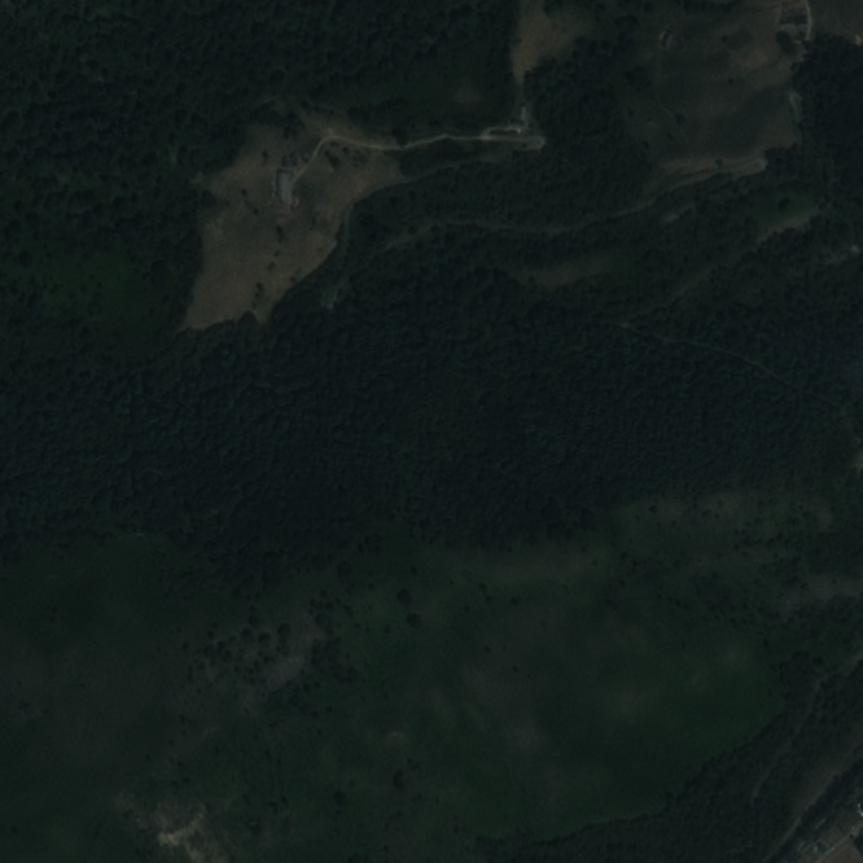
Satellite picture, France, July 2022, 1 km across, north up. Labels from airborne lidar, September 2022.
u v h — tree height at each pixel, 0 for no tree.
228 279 0
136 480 20
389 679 0
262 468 17
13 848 0
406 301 14
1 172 20
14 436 29
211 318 0
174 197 13
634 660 0
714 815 15
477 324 22
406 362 28
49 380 21
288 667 0
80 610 0
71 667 0
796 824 0
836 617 11
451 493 19
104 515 14
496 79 7
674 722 0
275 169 0
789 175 9
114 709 0
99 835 8
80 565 0
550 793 0
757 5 0
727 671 0
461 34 24
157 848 6
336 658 9
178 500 24
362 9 23
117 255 0
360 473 20
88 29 16
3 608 0
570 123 18
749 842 13
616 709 0
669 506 0
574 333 25
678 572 6
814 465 11
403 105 12
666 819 13
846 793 16
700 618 0
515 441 16
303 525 20
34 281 12
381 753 0
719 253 11
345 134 0
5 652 0
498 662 0
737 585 0
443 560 0
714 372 20
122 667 0
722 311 9
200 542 19
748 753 15
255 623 11
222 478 23
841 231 24
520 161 10
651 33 0
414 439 12
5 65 8
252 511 24
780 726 10
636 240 13
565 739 0
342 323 28
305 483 25
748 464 10
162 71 20
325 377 25
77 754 0
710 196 10
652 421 14
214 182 0
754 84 0
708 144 0
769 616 9
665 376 19
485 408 23
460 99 0
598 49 18
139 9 23
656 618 0
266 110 11
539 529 17
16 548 16
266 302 0
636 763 0
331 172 0
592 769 0
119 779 0
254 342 33
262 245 0
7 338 7
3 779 0
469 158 12
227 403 27
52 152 18
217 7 8
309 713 12
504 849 11
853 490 9
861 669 14
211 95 10
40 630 0
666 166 0
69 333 8
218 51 19
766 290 10
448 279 28
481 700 0
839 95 26
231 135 18
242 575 16
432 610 0
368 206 13
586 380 11
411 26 25
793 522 8
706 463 11
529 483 13
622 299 25
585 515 11
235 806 16
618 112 15
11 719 0
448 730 0
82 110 10
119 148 27
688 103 0
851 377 26
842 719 21
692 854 12
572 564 0
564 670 0
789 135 0
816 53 24
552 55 0
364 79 24
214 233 0
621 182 15
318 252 0
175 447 28
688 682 0
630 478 15
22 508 23
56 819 0
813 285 22
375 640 0
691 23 0
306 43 22
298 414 26
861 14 0
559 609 0
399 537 0
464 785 0
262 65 21
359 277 12
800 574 6
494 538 12
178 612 0
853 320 29
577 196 17
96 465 16
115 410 27
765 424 17
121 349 9
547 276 0
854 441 9
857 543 11
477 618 0
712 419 19
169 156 15
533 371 13
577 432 16
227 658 20
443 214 16
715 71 0
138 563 0
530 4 0
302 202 0
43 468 27
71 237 7
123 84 21
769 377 15
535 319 33
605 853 15
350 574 17
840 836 0
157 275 18
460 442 20
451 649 0
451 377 21
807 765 16
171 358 20
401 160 8
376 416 30
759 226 22
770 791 17
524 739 0
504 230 7
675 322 24
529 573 0
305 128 6
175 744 16
